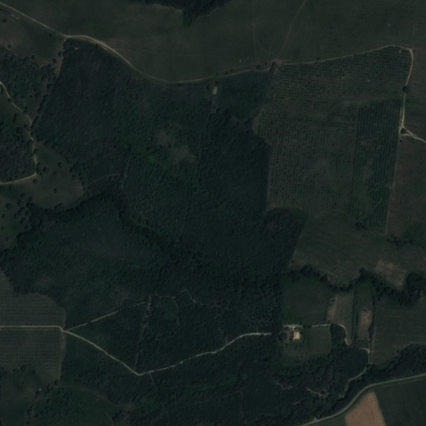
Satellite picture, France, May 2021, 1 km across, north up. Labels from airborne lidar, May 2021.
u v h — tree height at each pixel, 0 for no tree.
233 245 7
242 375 15
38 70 7
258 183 6
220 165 7
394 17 0
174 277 8
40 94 11
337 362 17
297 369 7
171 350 14
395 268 0
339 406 17
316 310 0
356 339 10
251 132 8
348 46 0
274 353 10
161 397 8
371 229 0
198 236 10
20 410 0
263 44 0
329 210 0
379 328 0
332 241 0
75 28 0
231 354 5
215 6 13
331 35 0
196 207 7
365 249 0
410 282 18
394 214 0
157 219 6
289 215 13
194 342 12
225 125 10
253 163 10
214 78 0
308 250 0
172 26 0
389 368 13
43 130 6
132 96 7
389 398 0
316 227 0
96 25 0
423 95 0
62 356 0
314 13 0
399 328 0
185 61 0
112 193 18
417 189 0
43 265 7
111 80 6
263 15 0
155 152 9
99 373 9
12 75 9
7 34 0
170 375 13
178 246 25
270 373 19
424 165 0
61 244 8
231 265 10
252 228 10
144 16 0
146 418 7
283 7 0
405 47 0
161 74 0
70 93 7
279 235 13
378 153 6
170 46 0
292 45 0
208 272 17
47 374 0
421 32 0
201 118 5
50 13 0
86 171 12
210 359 7
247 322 10
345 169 0
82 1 0
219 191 12
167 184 10
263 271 9
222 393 6
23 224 13
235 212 7
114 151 9
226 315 13
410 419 0
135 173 7
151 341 14
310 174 0
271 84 0
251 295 13
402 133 10
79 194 0
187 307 11
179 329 11
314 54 0
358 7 0
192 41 0
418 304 0
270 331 9
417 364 18
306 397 12
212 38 0
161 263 6
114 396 12
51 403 7
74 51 5
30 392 0
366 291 0
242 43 0
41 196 0
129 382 6
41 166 8
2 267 14
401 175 0
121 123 5
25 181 0
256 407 10
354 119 6
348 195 6
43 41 0
